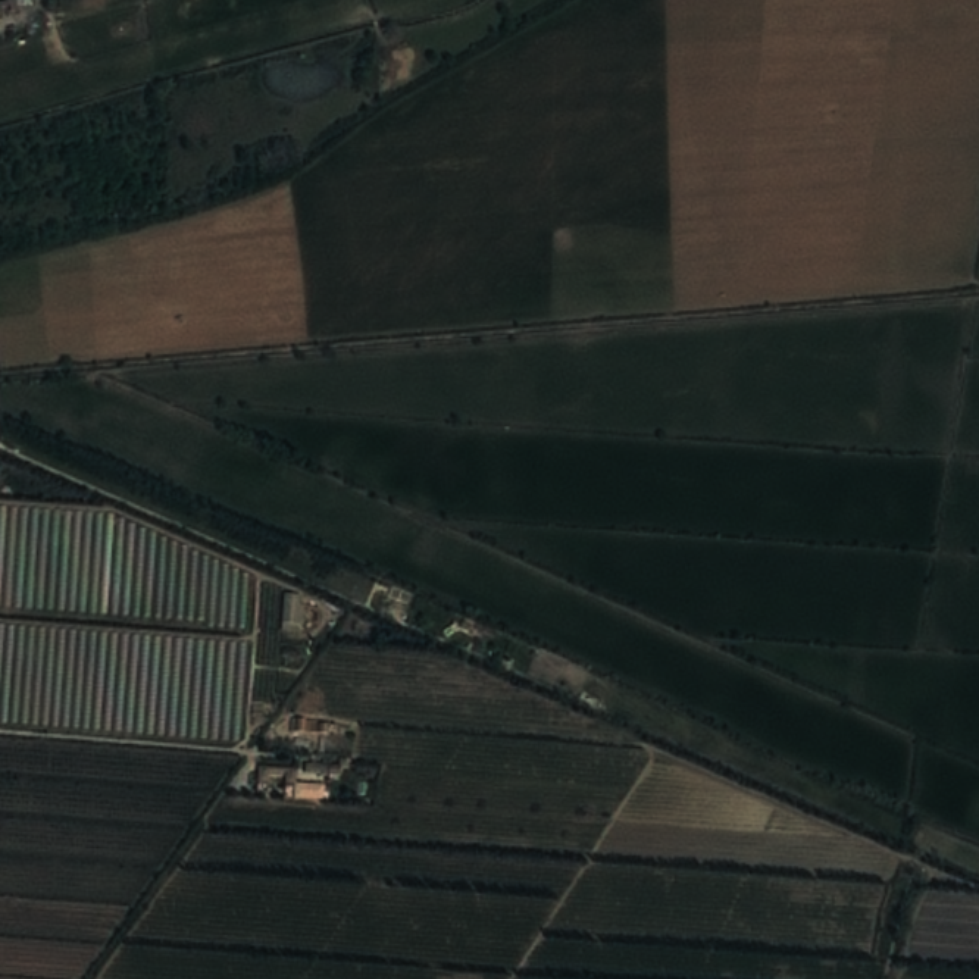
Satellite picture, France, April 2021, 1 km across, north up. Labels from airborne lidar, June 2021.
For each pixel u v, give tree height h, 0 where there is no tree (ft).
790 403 0
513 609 0
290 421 0
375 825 0
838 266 0
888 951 0
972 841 0
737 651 30
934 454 0
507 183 0
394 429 0
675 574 0
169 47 0
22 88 0
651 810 0
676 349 0
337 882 84
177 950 60
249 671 0
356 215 0
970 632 0
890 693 0
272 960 44
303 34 0
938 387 0
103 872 0
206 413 0
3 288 0
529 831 0
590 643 0
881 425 0
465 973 57
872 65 0
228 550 22
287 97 0
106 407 0
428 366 0
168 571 0
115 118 27
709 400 0
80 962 0
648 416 0
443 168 0
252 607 0
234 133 0
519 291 0
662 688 0
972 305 0
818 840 0
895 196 0
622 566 0
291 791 0
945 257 0
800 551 0
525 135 0
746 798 0
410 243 0
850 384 0
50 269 0
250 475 0
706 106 0
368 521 0
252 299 0
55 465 0
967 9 0
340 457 0
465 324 0
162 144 23
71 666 0
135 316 0
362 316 0
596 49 0
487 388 0
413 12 0
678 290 0
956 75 0
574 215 0
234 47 0
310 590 37
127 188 37
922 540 0
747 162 0
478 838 0
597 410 0
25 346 0
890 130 0
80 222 21
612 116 0
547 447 0
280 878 73
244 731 0
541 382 0
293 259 0
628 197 0
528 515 0
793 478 0
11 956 0
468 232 0
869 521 0
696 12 0
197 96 0
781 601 0
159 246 0
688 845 0
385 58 0
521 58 0
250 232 0
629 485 0
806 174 0
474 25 0
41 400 0
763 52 0
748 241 0
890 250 0
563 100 0
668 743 22
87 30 0
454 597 0
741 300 0
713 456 0
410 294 0
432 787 0
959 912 0
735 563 0
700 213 0
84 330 0
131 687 0
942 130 0
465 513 0
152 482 81
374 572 33
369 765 31
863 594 0
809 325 0
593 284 0
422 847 36
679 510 0
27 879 0
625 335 0
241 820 0
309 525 0
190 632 20
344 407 0
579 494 0
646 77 0
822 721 0
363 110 27
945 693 0
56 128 41
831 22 0
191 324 0
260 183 34
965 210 0
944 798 0
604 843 0
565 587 0
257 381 0
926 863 41
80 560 0
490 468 0
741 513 0
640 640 0
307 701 0
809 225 0
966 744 0
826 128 0
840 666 0
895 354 0
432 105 0
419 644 25
